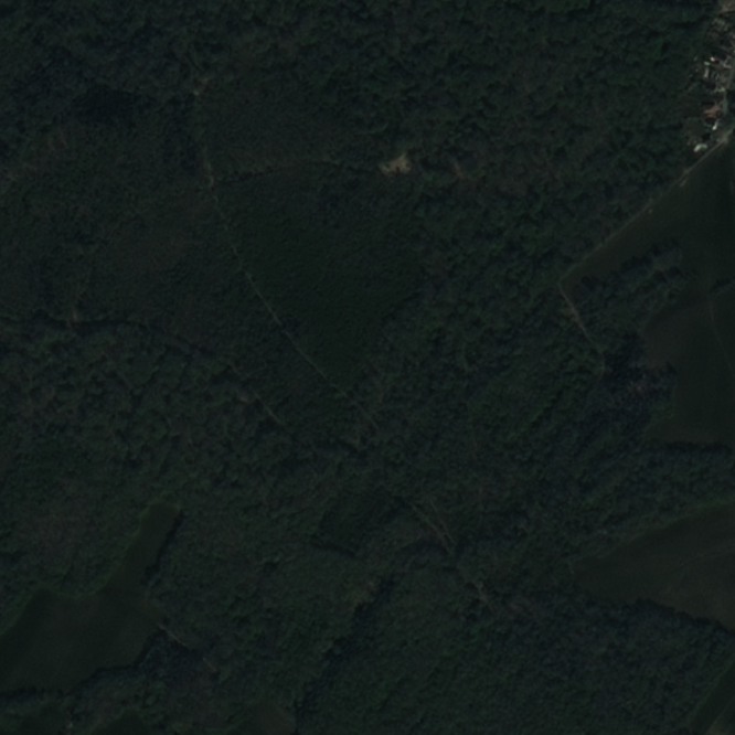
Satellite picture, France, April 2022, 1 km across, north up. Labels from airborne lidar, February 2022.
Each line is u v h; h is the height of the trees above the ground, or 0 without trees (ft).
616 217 95
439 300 90
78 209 54
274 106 54
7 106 81
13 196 49
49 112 76
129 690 69
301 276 42
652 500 104
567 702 82
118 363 69
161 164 51
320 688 81
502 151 106
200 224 37
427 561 86
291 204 47
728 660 77
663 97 99
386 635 90
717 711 0
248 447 107
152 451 98
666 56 68
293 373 44
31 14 92
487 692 90
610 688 85
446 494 87
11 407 46
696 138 0
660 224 0
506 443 58
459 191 84
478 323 103
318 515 73
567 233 90
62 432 81
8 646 0
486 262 91
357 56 98
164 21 95
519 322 69
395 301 53
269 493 98
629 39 45
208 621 96
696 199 0
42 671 0
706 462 97
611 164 102
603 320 100
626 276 53
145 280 45
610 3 79
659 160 84
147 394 101
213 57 34
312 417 54
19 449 53
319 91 47
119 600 0
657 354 0
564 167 74
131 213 46
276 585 100
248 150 56
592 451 75
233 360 46
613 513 74
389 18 105
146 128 50
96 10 47
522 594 76
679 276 62
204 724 107
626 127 43
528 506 24
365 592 89
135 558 0
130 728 0
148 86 84
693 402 0
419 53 92
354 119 42
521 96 97
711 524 0
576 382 89
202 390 88
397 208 57
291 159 50
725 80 0
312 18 112
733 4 0
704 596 0
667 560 0
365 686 77
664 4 85
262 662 83
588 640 100
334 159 55
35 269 51
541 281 91
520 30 79
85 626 0
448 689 75
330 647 81
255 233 38
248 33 104
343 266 43
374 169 45
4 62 62
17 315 55
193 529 84
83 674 0
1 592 86
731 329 0
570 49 93
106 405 83
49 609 0
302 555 92
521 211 70
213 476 98
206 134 47
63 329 86
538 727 84
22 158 54
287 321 48
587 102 104
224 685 87
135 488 91
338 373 46
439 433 39
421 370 26
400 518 95
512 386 82
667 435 0
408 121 81
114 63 81
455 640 80
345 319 45
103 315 46
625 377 60
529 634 104
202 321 58
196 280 50
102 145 46
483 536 26
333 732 97
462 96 66
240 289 43
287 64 30
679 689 86
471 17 76
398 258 49
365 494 34
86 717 91
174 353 95
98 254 36
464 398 36
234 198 48
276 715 0
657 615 93
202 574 91
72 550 92
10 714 100
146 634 0
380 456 50
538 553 23
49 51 73
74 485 91
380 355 84
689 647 92
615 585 0
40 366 83
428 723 88
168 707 70
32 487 76
